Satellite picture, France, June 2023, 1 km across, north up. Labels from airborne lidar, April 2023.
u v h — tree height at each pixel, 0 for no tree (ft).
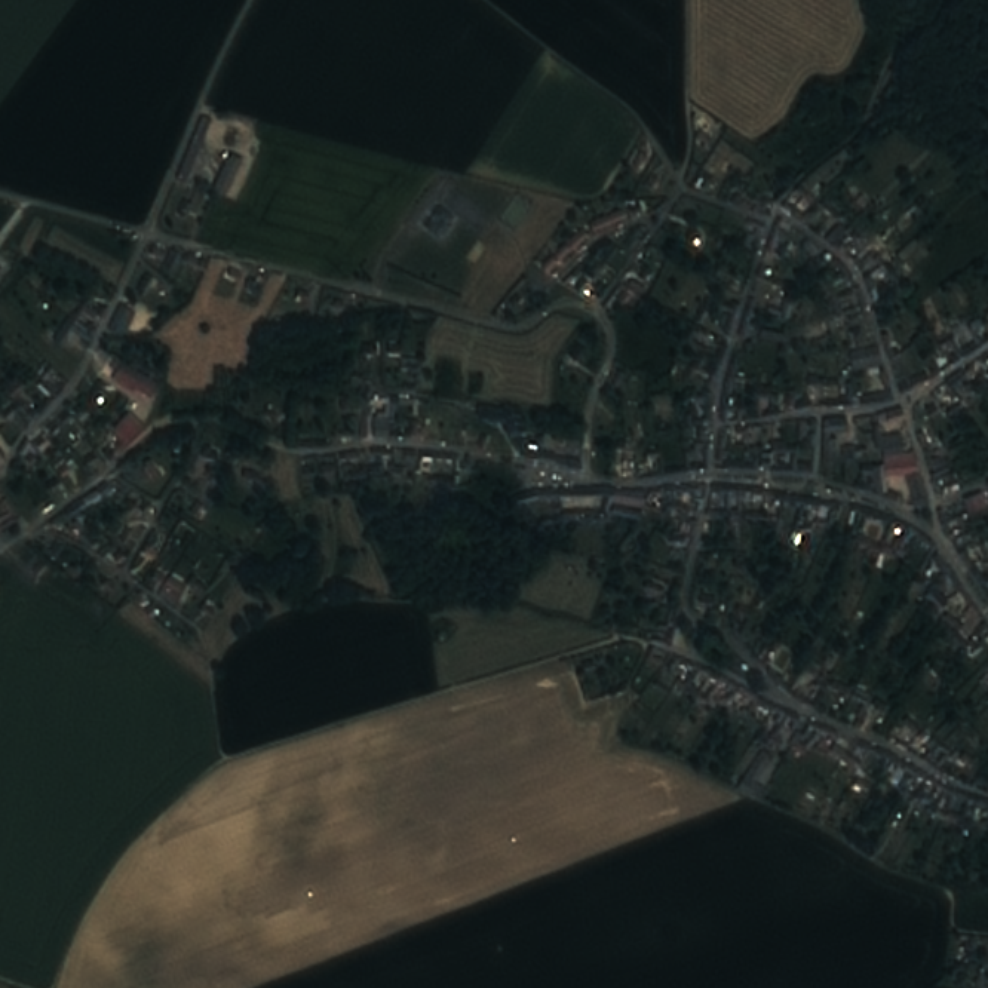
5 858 0
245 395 33
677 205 0
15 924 0
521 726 0
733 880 0
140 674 0
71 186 0
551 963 0
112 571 0
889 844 0
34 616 0
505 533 39
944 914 0
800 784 0
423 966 0
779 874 0
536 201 0
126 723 0
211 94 0
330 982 0
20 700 0
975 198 0
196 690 0
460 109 0
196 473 0
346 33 0
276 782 0
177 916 0
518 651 0
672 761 0
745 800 0
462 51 0
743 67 0
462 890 0
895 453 0
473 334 0
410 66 0
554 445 0
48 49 0
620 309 38
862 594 0
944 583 29
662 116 0
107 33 0
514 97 0
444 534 38
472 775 0
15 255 0
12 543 0
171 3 0
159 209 0
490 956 0
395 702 0
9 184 0
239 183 0
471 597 68
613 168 0
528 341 0
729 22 0
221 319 0
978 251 0
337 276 0
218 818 0
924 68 69
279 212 0
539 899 0
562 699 0
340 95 0
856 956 0
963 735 0
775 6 0
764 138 23
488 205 0
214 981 0
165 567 0
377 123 0
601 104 0
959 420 26
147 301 0
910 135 48
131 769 0
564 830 0
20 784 0
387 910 0
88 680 0
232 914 0
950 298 0
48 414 0
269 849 0
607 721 0
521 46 0
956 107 71
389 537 70
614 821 0
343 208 0
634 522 24
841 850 0
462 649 0
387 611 0
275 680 0
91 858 0
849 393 0
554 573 0
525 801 0
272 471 0
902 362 0
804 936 0
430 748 0
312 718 0
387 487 0
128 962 0
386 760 0
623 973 0
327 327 56
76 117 0
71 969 0
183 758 0
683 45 0
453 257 0
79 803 0
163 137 0
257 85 0
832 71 0
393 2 0
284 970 0
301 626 0
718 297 47
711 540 35
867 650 23
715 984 0
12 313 0
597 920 0
